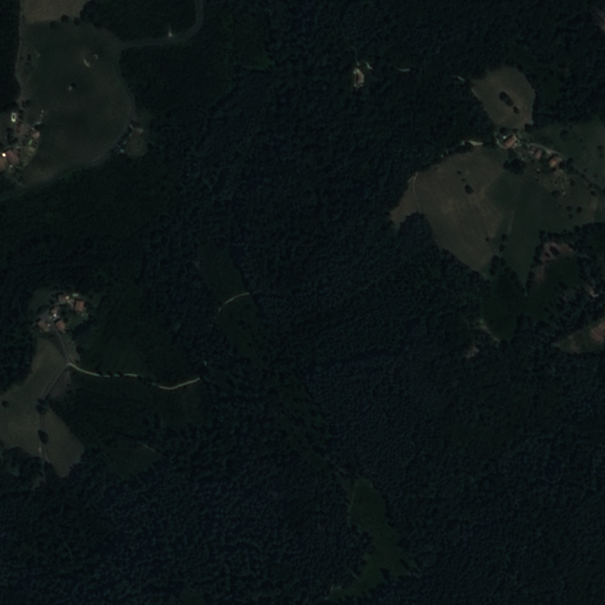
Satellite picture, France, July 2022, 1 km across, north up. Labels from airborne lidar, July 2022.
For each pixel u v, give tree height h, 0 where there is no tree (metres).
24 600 18
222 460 26
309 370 6
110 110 0
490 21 27
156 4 6
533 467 27
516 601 24
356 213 24
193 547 28
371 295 8
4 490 22
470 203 0
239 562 25
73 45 0
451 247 0
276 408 25
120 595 33
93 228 8
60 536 8
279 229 7
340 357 12
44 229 8
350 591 0
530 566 26
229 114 24
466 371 27
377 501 0
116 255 8
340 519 25
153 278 24
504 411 21
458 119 7
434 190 0
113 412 7
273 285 35
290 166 26
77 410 8
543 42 34
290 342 10
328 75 27
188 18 6
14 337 8
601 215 0
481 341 22
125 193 9
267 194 22
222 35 7
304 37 25
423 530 25
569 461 19
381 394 24
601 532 26
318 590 30
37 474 15
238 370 35
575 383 35
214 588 26
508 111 0
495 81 0
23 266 14
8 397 0
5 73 7
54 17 0
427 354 26
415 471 24
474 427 27
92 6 18
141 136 0
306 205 15
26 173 0
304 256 14
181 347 7
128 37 7
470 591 31
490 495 29
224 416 25
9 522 22
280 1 22
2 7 8
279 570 30
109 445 9
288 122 25
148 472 0
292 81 25
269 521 36
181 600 35
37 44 0
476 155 0
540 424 29
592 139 0
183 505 31
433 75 19
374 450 30
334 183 29
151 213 6
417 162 21
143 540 43
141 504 43
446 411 25
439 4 23
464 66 22
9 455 7
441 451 25
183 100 12
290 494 29
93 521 10
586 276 23
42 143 0
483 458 33
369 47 23
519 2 29
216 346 23
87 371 0
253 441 30
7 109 18
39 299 0
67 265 8
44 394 0
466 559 23
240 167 23
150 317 10
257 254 19
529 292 17
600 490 24
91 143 0
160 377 6
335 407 31
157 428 28
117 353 0
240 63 8
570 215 6
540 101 19
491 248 0
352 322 11
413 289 11
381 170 13
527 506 24
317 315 12
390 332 12
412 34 27
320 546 30
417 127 19
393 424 32
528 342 22
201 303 24
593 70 23
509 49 21
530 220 0
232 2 21
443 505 25
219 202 15
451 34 28
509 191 0
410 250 25
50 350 0
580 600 26
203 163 12
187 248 24
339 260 28
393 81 18
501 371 26
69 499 11
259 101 23
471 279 21
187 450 14
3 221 7
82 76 0
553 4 28
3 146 13
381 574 0
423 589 29
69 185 7
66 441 0
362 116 23
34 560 10
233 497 38
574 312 17
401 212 0
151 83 12
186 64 8
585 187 0
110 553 38
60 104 0
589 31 32
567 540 26
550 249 0
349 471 22
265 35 7
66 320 7
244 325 16
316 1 10
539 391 26
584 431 28
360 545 28
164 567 32
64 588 24
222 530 38
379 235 21
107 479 25
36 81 0
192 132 6
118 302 11
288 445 7
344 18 21
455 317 24
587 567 23
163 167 7
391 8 26
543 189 0
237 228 15
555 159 0
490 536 31
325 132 19
